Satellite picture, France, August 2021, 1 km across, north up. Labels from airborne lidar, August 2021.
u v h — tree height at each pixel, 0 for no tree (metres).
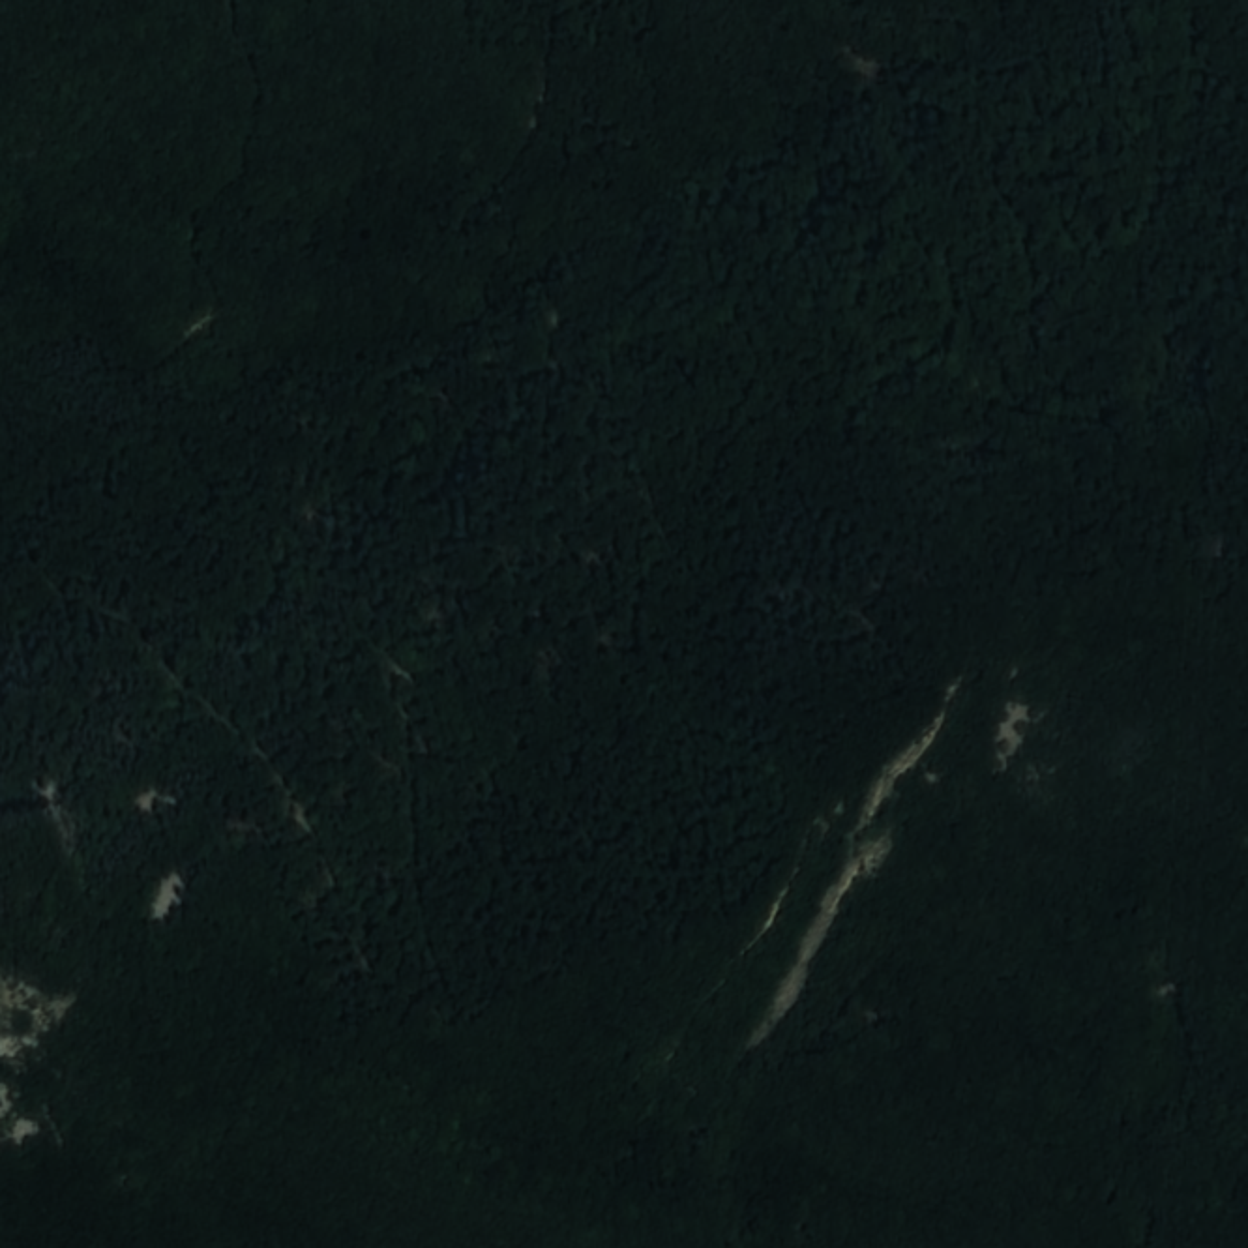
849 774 29
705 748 23
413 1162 11
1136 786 10
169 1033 20
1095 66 14
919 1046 25
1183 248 22
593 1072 26
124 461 24
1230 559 17
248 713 20
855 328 25
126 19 19
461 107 22
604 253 29
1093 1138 9
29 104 13
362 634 14
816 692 22
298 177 17
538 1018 15
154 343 21
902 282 22
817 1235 19
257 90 6
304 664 16
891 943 26
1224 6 26
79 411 23
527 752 25
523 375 27
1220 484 16
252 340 21
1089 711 15
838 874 20
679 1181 31
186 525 30
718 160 32
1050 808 8
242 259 26
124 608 22
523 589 25
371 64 18
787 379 25
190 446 24
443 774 22
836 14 30
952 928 18
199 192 17
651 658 28
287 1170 8
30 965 7
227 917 22
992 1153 16
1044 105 21
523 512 24
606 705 28
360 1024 22
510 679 25
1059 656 24
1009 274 27
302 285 25
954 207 26
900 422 35
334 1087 15
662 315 21
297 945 27
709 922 22
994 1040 26
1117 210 30
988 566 20
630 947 18
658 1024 24
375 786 21
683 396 25
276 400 25
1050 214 29
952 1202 26
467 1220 12
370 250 34
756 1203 24
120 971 21
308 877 21
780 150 35
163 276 26
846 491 26
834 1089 28
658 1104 16
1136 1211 23
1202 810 11
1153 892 28
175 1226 13
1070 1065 20
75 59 15
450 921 24
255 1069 15
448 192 27
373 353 32
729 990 20
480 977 22
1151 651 28
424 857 24
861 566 23
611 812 26
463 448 31
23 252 24
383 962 24
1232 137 18
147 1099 13
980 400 26
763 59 19
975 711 21
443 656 24
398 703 14
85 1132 12
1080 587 19
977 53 13
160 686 23
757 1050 25
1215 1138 21
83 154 14
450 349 30
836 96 37
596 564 10
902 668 14
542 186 29
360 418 27
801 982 7
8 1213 12
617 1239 16
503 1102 21
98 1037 10
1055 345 28
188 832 20
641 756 22
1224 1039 25
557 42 21
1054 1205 17
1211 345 18
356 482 26
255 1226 11
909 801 16
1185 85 25
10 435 24
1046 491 25
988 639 21
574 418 26
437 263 25
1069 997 24
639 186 24
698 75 19
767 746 18
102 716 24
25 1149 12
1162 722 10
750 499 30
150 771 19
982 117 21
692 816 25
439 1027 19
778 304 28
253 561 22
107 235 24
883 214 19
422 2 21
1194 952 14
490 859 26
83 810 11
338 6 21
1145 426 20
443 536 22
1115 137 23
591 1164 31
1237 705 26
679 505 27
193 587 25
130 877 12
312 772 20
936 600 20
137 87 18
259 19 24
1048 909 30
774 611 10
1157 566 20
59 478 23
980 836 23
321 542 25
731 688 22
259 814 23
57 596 22
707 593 23
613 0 19
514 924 23
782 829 18
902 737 16
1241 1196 37
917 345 28
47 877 9
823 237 37
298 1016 25
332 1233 8
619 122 15
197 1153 13
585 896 24
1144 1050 17
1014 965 21
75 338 18
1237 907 15
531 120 22
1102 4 13
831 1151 15
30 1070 7
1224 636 26
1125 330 25
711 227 35
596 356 29
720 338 13
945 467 24
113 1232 16
